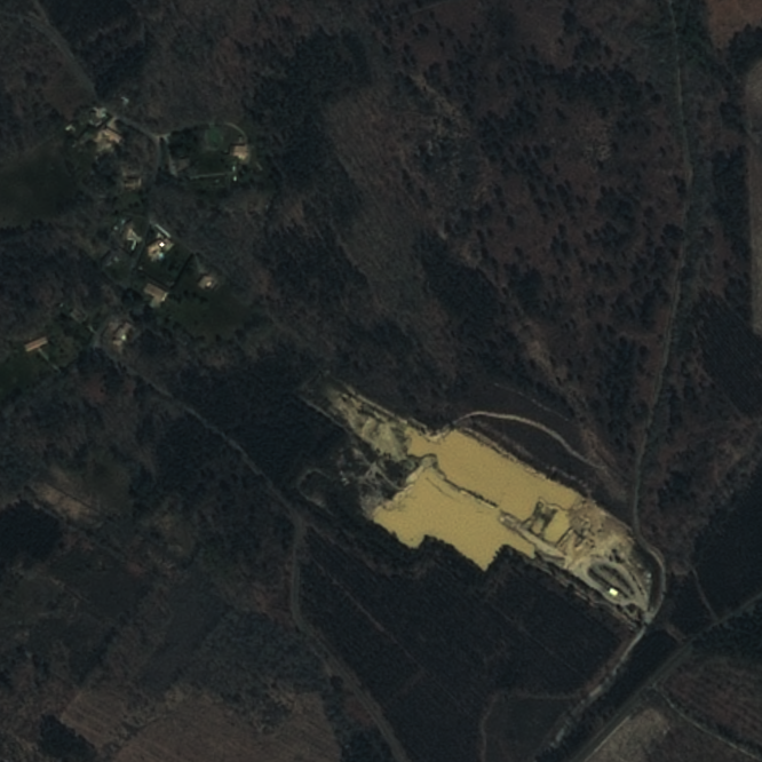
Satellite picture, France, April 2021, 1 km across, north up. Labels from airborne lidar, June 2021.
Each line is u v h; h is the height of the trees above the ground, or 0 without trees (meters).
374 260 12
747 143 0
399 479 0
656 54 9
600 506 0
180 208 22
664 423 9
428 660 8
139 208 9
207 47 17
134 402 8
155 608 19
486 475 0
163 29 15
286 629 13
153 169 16
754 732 10
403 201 14
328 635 9
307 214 12
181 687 15
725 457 10
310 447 14
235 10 15
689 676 11
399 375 9
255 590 17
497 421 0
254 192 18
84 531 6
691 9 9
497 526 0
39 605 0
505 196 17
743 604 12
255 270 16
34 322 12
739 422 14
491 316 17
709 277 12
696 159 8
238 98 18
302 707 0
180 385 15
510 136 17
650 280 8
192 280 0
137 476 23
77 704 0
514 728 0
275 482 13
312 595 9
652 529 11
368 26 16
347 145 13
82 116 7
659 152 7
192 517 19
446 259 22
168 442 14
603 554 0
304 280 18
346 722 17
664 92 14
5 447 16
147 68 14
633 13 13
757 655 19
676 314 7
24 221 0
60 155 0
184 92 18
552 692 7
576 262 9
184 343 12
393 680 10
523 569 0
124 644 21
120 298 15
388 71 14
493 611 8
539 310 15
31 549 12
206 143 14
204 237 18
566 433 0
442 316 10
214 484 18
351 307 7
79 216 19
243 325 0
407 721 8
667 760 12
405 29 16
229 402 12
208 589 10
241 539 14
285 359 10
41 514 10
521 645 8
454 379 8
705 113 17
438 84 15
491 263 19
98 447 18
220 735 0
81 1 7
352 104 14
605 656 9
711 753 9
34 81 15
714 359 10
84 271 13
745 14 0
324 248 17
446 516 0
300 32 14
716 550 11
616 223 11
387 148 10
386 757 11
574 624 9
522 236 8
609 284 8
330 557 9
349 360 17
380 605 9
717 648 19
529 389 14
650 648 10
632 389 11
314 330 18
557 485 0
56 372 7
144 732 0
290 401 12
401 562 7
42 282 8
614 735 0
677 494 15
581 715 10
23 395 15
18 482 19
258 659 13
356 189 17
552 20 0
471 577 7
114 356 13
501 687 8
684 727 13
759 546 10
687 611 11
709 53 14
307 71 18
